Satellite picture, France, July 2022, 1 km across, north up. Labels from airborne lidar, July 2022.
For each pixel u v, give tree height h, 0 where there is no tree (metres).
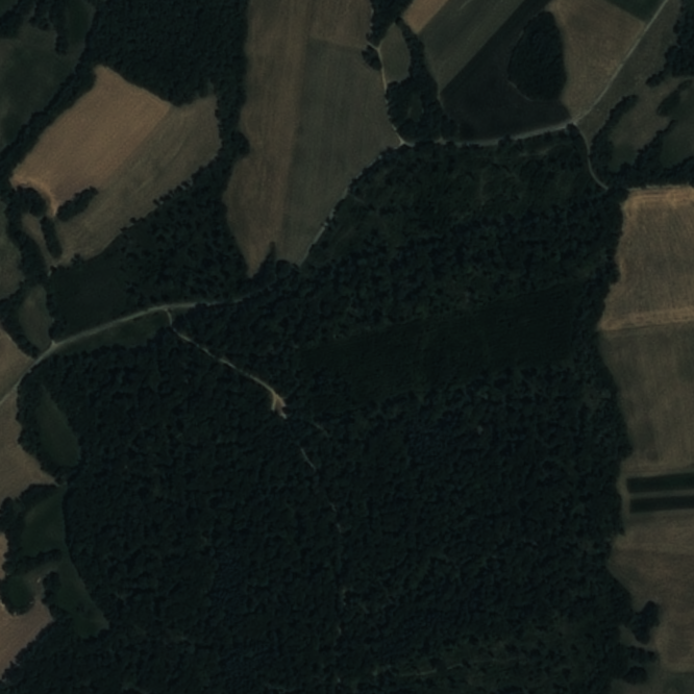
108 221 0
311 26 0
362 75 0
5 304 14
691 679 0
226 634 23
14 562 17
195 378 33
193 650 22
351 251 6
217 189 17
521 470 28
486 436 6
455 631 26
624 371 0
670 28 0
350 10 0
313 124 0
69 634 22
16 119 0
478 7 0
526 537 28
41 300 0
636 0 0
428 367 8
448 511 26
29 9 12
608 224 19
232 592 27
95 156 0
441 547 22
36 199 17
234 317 20
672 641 0
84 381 21
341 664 20
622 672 21
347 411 6
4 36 11
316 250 6
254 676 22
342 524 23
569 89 0
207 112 0
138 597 27
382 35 17
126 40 16
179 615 19
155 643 17
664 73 7
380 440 20
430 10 0
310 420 16
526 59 7
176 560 19
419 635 18
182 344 23
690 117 0
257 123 0
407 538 27
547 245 34
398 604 24
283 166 0
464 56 0
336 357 6
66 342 0
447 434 23
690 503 0
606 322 0
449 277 27
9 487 0
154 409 27
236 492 21
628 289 0
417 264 33
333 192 0
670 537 0
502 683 6
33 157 0
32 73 0
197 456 22
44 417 0
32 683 19
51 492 19
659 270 0
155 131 0
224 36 17
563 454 25
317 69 0
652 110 0
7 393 0
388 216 24
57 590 15
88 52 14
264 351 30
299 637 28
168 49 16
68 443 0
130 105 0
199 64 19
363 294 31
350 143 0
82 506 20
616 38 0
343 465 29
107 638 19
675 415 0
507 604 17
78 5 0
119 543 20
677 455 0
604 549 19
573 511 25
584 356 22
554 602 24
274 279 14
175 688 22
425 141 13
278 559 30
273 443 22
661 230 0
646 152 14
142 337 0
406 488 24
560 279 22
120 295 0
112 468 23
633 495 0
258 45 0
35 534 0
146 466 24
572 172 18
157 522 25
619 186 19
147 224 17
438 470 20
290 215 0
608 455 12
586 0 0
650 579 0
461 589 29
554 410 23
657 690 0
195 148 0
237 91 14
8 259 0
